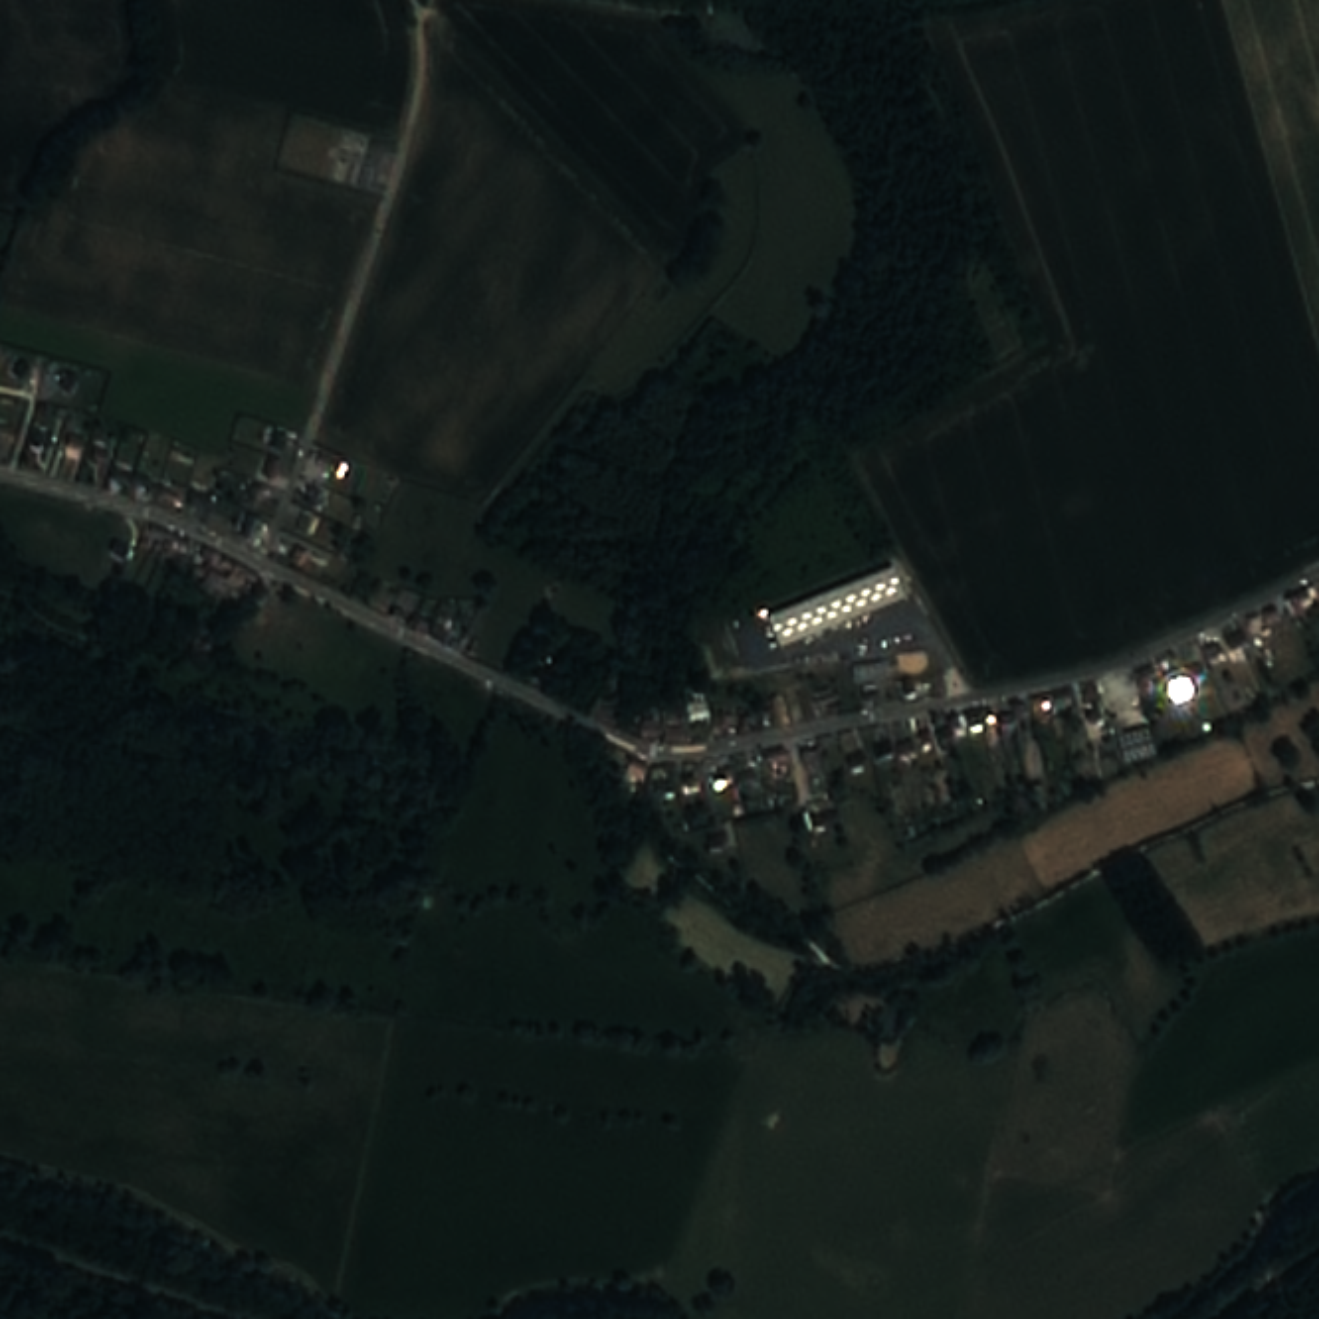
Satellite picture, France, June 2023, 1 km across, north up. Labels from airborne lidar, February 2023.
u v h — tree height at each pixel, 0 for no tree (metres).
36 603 7
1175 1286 0
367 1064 0
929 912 0
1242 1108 0
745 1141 0
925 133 14
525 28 0
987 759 0
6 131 0
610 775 13
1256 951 0
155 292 0
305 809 0
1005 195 0
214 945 0
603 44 0
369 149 0
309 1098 0
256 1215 0
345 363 0
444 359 0
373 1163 0
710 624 0
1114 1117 0
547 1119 0
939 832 9
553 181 0
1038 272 0
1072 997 0
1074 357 0
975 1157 0
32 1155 0
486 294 0
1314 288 0
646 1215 0
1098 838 0
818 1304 0
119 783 37
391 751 27
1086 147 0
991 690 0
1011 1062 0
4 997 0
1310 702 0
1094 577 0
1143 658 0
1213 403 0
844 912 0
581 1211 0
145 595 16
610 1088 0
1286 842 0
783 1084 0
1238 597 0
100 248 0
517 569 0
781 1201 0
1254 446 0
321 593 0
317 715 0
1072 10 0
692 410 10
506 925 0
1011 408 0
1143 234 0
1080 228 0
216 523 0
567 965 0
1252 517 0
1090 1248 0
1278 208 0
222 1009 0
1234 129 0
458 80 0
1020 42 0
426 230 0
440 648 0
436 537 0
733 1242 0
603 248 0
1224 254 0
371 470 0
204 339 0
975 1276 0
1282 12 0
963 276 9
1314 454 0
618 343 0
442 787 29
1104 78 0
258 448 0
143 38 15
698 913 0
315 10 0
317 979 0
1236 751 0
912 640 0
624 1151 0
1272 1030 0
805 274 0
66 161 14
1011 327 0
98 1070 0
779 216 0
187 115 0
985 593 0
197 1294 13
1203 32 0
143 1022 0
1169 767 0
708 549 23
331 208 0
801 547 0
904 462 0
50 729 20
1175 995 0
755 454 17
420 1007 0
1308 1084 0
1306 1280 6
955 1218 0
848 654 0
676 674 8
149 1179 0
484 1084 0
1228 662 0
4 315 0
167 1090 0
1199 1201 0
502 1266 0
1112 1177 0
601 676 7
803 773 0
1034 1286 0
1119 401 0
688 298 0
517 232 0
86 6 0
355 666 0
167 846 36
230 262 0
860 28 8
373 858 6
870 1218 0
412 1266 0
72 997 0
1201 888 0
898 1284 0
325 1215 0
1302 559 0
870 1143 0
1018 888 0
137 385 0
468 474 0
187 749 29
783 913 14
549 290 0
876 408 14
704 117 0
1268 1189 0
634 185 0
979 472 0
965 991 0
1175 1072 0
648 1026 0
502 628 0
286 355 0
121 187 0
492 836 0
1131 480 0
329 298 0
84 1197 13
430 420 0
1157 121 0
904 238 13
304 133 0
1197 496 0
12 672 20
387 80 0
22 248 0
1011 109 0
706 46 16
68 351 0
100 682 18
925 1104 0
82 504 0
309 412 0
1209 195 0
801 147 0
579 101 0
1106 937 0
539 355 0
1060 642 0
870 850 0
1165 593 0
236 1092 0
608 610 0
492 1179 0
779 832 0
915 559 0
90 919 0
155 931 0
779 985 0
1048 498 0
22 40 0
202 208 0
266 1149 0
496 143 0
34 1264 24
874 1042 7
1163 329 0
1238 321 0
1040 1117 0
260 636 0
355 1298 0
